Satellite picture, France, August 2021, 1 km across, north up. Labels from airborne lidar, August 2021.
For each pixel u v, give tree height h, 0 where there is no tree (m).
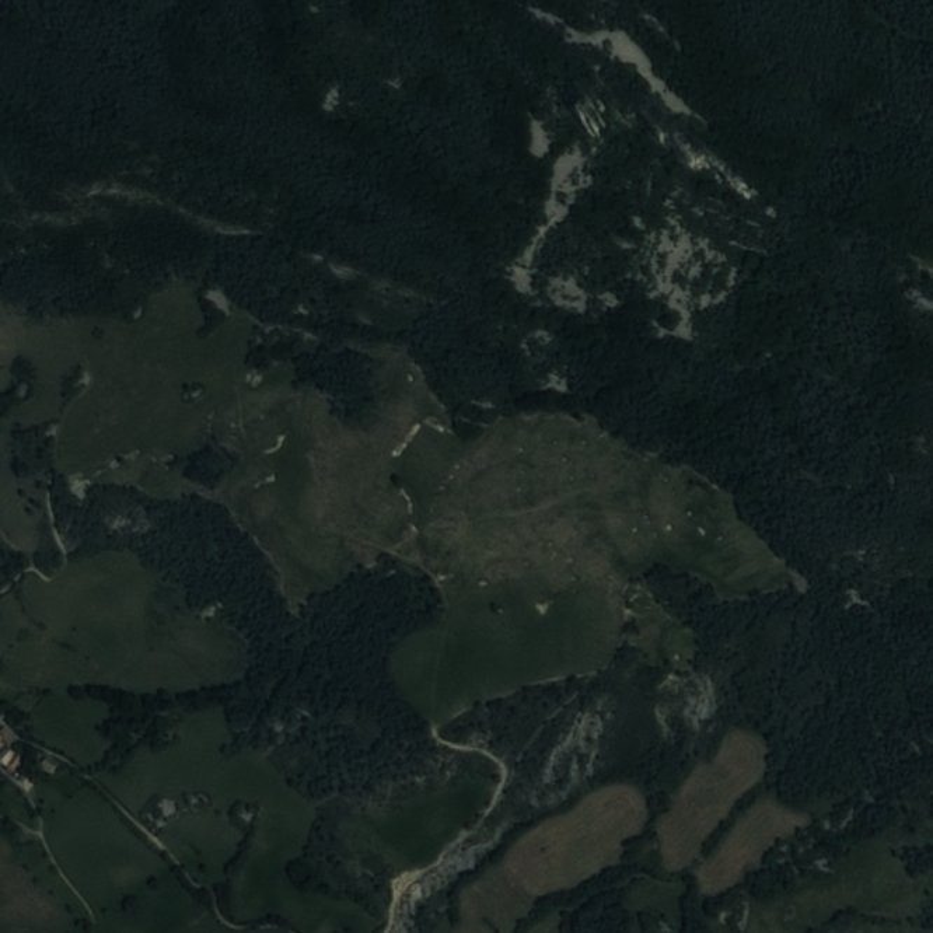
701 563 0
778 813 0
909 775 14
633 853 15
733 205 13
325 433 0
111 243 10
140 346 0
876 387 13
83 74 20
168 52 15
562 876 0
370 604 18
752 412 12
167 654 0
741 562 0
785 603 12
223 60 14
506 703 10
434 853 0
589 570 0
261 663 14
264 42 16
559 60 7
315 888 12
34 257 7
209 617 7
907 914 0
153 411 0
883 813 16
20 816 0
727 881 0
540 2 9
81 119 14
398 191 14
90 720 0
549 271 13
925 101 15
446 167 9
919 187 15
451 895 9
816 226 8
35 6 15
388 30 11
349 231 19
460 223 11
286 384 0
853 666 12
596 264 8
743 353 17
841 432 11
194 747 0
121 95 21
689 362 11
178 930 0
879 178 15
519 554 0
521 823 6
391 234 17
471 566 0
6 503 0
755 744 0
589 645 0
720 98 17
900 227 10
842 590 18
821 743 15
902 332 15
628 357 17
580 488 0
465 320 12
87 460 0
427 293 10
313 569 0
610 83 9
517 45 10
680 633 0
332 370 14
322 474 0
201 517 13
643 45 7
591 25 7
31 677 0
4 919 0
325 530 0
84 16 16
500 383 14
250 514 0
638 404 17
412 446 0
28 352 0
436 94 13
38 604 0
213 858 0
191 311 0
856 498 10
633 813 0
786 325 10
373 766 8
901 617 19
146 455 0
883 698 10
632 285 9
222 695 7
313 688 17
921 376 12
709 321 7
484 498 0
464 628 0
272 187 17
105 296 8
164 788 0
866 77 13
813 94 9
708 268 8
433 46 12
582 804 0
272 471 0
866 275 11
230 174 13
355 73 11
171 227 12
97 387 0
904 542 12
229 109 9
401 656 0
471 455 0
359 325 18
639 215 7
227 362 0
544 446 0
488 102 12
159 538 9
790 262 14
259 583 14
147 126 17
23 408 0
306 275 10
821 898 0
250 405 0
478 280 15
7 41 21
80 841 0
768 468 11
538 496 0
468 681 0
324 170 11
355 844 0
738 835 0
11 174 6
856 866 0
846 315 12
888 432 14
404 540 0
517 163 9
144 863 0
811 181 16
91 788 7
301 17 14
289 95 12
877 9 14
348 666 13
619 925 11
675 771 14
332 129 16
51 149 13
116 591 0
